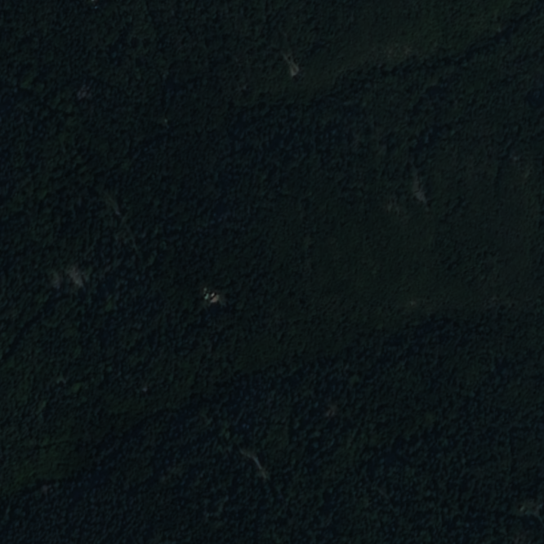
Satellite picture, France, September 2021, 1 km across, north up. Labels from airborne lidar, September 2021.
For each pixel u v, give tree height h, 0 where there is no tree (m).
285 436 22
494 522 7
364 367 30
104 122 27
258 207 27
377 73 41
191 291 22
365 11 16
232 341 25
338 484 21
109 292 21
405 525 8
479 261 22
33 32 25
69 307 23
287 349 22
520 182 11
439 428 24
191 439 31
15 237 27
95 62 24
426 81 21
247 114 32
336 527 19
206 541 14
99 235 18
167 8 25
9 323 24
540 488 26
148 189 32
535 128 17
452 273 23
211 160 28
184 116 26
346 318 25
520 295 19
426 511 18
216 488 26
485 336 23
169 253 30
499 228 15
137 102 19
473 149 21
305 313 22
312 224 19
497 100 20
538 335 28
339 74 10
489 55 13
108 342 30
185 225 31
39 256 26
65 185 24
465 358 29
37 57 26
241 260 25
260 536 33
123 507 13
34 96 16
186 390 25
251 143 31
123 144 25
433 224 16
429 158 12
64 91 31
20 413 29
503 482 26
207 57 16
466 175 15
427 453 11
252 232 28
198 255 20
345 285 19
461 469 24
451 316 23
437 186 9
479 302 19
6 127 19
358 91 23
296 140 18
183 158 31
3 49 30
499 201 21
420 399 29
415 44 8
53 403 33
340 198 16
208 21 28
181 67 30
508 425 22
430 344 27
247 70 15
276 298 34
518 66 13
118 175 25
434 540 17
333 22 20
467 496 30
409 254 19
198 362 21
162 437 16
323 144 21
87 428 23
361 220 17
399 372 16
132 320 33
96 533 30
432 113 18
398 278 18
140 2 25
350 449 10
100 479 11
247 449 21
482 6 17
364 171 20
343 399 29
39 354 21
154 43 23
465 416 24
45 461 17
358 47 13
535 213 11
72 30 32
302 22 19
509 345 28
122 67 26
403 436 25
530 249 8
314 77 14
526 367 17
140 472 17
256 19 21
